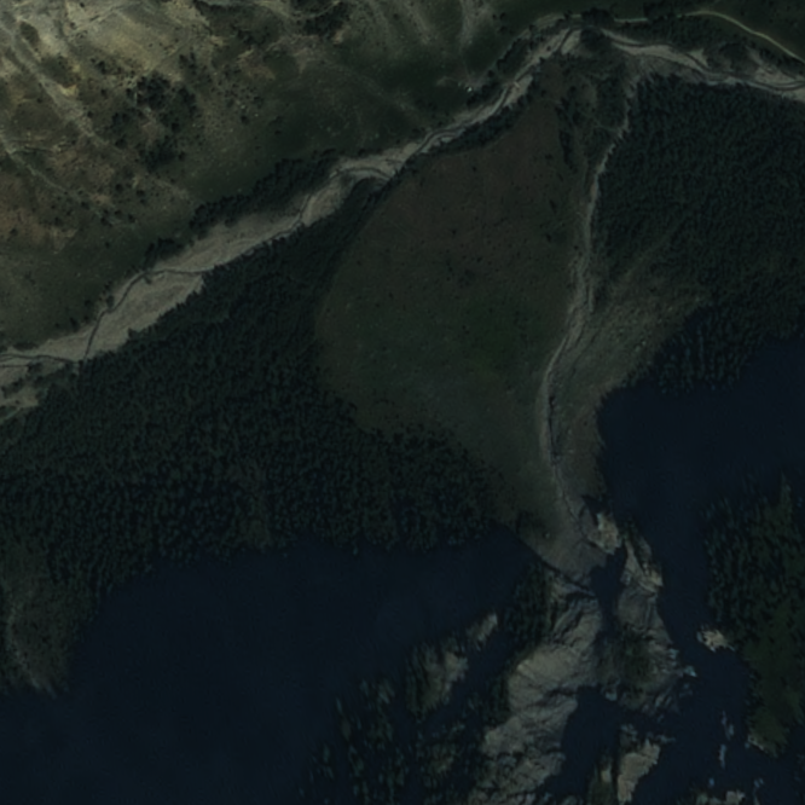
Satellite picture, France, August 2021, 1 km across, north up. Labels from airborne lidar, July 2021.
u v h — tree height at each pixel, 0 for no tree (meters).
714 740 0
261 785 0
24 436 6
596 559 0
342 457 16
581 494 0
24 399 0
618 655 0
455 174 0
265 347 7
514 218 0
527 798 0
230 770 0
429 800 11
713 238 15
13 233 10
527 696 0
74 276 0
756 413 7
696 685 0
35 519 11
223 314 18
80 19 0
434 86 0
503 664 21
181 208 0
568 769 0
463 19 0
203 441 21
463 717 7
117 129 12
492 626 0
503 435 0
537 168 0
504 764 0
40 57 0
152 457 15
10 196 0
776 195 20
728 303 12
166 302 0
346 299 0
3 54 0
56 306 0
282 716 0
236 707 8
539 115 0
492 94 12
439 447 9
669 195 14
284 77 0
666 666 0
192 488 10
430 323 0
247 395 8
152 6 0
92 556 17
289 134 0
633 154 8
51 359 0
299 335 9
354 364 0
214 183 0
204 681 22
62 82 0
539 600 8
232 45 0
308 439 27
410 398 0
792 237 10
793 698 0
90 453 8
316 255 8
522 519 6
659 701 0
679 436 11
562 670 0
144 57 0
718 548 18
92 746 0
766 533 12
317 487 18
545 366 0
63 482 16
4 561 7
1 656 13
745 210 15
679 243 13
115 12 0
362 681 0
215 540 20
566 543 0
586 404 0
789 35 0
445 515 9
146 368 18
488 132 10
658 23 12
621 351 0
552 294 0
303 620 12
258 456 18
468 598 0
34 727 0
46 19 0
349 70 0
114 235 0
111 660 13
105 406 10
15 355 0
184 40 0
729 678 0
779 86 0
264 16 0
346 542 10
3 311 0
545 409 0
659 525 0
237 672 0
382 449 14
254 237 0
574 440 0
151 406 13
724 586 13
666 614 0
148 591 21
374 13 0
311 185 9
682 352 11
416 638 0
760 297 6
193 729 19
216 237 0
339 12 8
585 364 0
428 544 13
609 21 24
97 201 0
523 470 0
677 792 0
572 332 0
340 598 8
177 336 7
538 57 0
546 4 0
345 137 0
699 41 15
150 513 20
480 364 0
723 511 27
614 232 10
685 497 0
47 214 0
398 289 0
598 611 0
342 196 0
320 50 0
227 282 16
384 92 0
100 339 0
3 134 0
